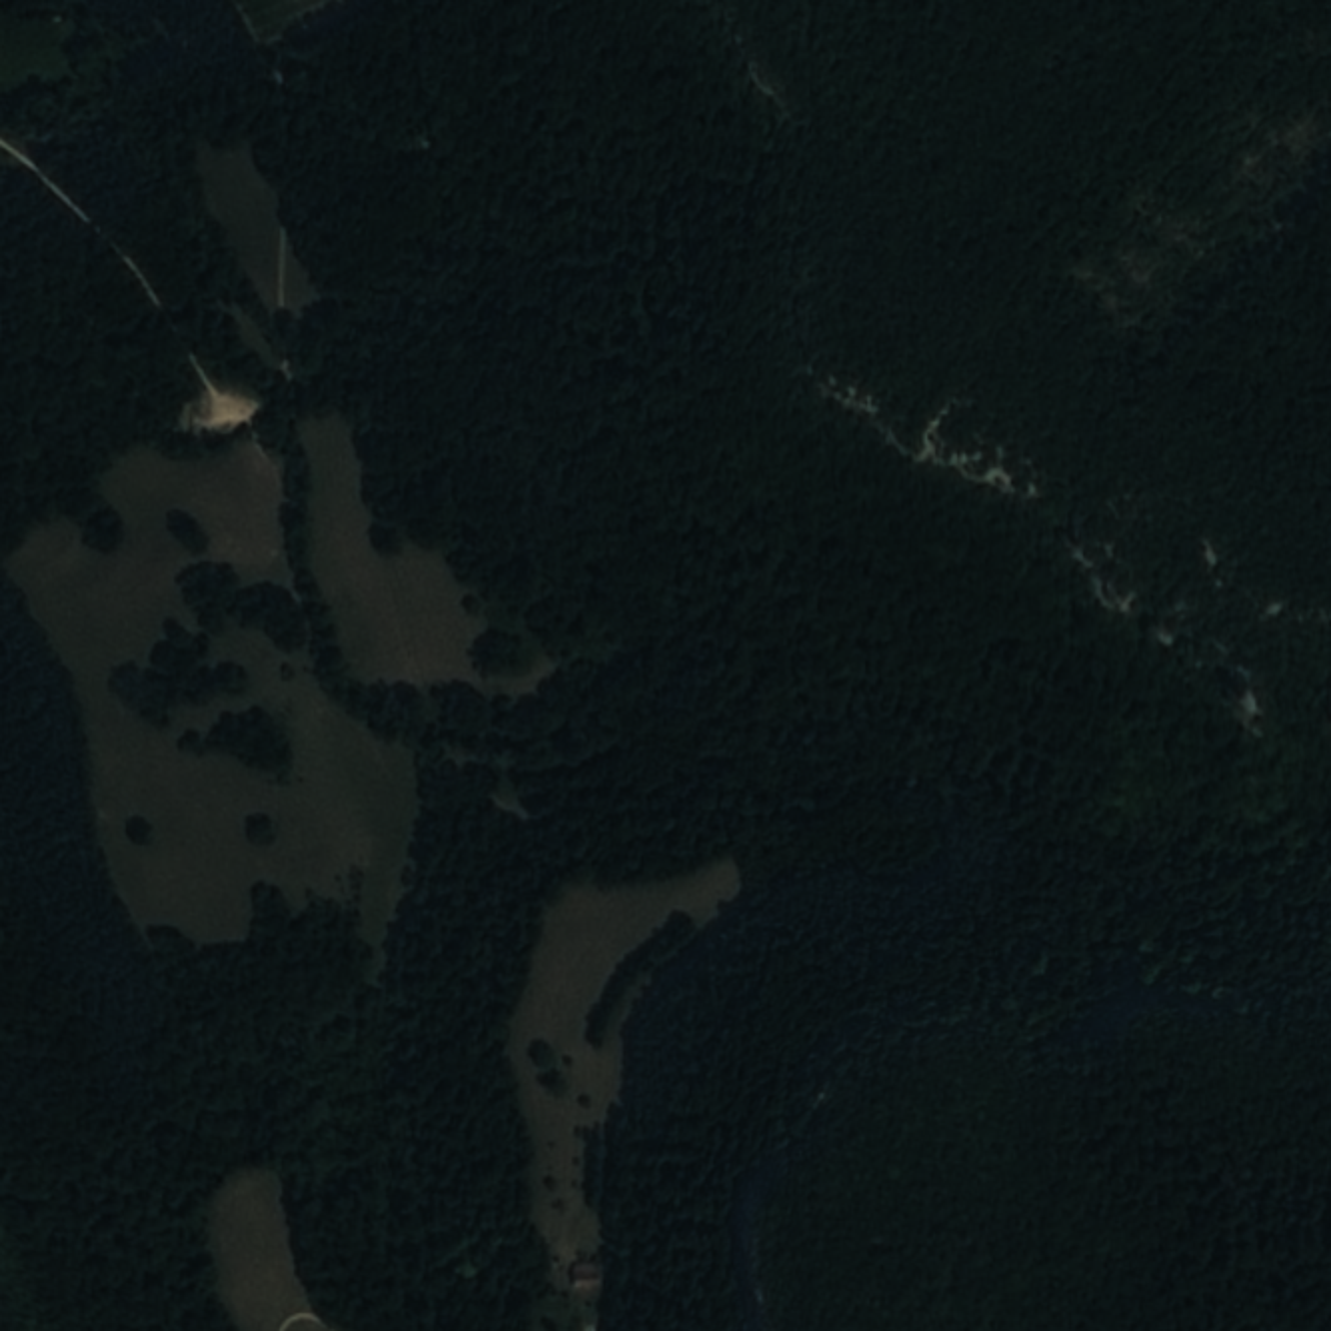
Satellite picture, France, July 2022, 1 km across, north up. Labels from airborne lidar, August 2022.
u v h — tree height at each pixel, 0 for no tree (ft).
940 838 32
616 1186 93
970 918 104
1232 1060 43
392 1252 61
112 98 45
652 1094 52
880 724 94
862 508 93
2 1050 93
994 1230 52
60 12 32
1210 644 31
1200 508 30
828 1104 28
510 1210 69
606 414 86
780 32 27
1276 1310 73
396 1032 44
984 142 55
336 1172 54
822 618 90
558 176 102
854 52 43
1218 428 45
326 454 0
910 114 31
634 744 69
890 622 79
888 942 85
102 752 0
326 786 0
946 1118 44
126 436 84
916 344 39
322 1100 88
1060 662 79
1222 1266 86
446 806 54
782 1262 36
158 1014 69
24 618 111
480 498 93
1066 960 94
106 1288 108
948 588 98
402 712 65
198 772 0
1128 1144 104
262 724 64
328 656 89
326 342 41
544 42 83
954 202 47
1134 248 20
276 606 54
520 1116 44
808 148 30
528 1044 0
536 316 85
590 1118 0
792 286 52
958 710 97
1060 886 94
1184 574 38
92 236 79
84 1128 75
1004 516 53
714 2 37
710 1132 105
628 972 50
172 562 0
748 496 65
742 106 78
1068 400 37
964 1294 52
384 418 77
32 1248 99
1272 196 24
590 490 85
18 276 89
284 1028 91
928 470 45
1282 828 103
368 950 37
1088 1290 43
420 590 0
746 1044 87
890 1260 39
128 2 83
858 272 51
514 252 79
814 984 99
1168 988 99
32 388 86
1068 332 43
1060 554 51
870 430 25
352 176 85
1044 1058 69
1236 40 42
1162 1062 52
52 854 84
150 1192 91
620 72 96
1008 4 44
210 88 45
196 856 0
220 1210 0
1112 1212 61
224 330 47
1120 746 90
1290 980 66
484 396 89
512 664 39
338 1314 57
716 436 94
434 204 88
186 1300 82
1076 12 46
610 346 54
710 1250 94
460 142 73
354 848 0
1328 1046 60
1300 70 18
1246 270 62
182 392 29
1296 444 59
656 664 96
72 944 82
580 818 67
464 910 61
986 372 35
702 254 94
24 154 0
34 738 73
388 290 99
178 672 65
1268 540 38
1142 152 18
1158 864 73
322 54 81
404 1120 43
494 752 71
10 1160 87
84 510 54
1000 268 71
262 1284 0
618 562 97
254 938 29
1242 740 87
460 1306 80
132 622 0
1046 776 107
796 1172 37
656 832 46
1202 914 90
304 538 32
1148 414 43
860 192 44
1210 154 20
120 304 44
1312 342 63
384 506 57
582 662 27
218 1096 89
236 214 0
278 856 0
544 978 0
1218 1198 86
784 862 32
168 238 48
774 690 86
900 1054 37
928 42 39
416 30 71
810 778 70
